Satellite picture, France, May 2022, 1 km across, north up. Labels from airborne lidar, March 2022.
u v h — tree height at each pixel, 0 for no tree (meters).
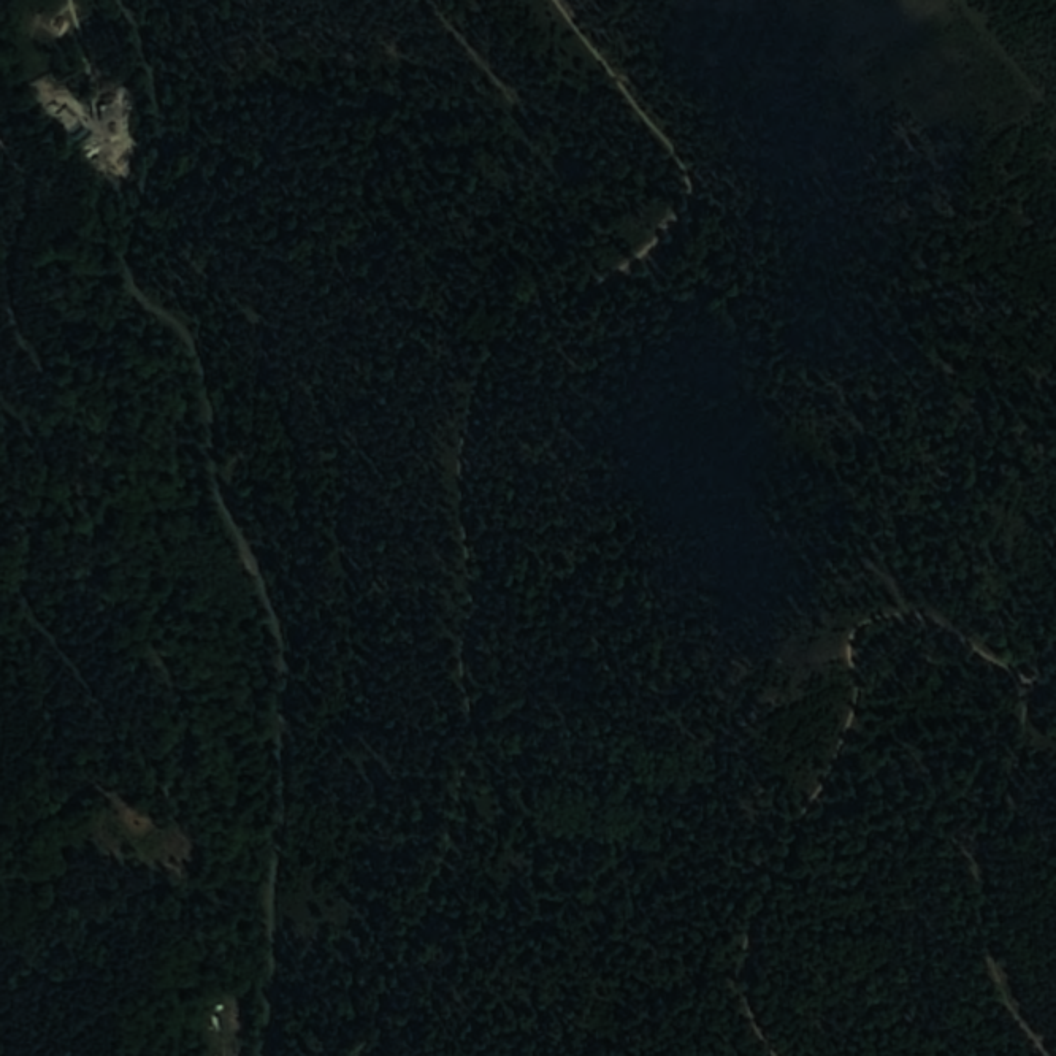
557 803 28
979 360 9
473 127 40
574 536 31
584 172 35
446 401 33
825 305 6
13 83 10
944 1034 26
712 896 27
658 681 27
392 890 32
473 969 33
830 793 26
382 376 33
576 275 37
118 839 31
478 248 9
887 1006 28
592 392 30
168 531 20
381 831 34
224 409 8
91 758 23
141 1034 33
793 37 28
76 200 16
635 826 33
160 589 27
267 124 36
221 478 0
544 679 27
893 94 0
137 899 17
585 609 31
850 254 32
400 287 34
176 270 28
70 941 25
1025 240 9
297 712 24
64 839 28
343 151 34
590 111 27
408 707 34
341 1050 30
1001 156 8
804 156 26
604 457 30
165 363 37
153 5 26
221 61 26
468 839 31
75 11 0
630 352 34
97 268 24
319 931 0
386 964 9
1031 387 7
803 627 27
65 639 25
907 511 33
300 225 35
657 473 31
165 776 28
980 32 0
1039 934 28
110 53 29
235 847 23
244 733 27
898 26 0
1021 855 27
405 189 34
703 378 27
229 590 30
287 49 28
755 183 29
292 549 36
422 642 33
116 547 37
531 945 27
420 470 30
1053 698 24
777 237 34
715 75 6
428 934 32
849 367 40
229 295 27
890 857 32
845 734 0
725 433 7
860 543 31
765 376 37
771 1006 28
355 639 9
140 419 30
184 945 29
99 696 25
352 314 28
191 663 34
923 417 39
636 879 27
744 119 28
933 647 33
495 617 35
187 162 34
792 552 34
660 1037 26
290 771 21
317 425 30
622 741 28
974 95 0
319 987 39
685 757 30
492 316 17
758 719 33
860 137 26
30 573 32
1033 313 7
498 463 27
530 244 35
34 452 31
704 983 21
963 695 33
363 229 31
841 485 34
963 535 33
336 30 26
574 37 7
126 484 31
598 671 32
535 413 28
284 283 31
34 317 24
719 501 29
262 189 39
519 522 31
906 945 27
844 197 30
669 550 34
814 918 29
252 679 26
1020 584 34
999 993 21
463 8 11
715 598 21
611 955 30
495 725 27
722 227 31
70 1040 27
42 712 22
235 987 29
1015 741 29
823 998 30
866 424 36
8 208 20
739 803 14
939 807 35
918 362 33
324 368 30
